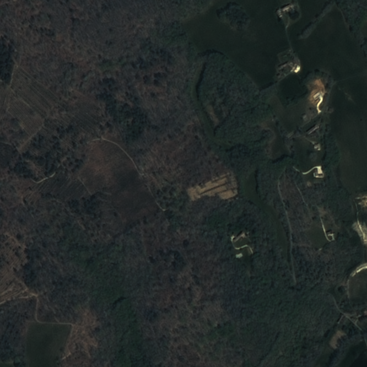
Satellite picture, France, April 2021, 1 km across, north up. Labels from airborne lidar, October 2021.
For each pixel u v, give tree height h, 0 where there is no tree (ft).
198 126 67
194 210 26
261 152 68
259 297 65
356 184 0
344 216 40
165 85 53
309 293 69
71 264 92
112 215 30
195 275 68
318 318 38
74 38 62
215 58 67
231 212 77
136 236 58
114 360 61
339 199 45
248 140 79
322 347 31
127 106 39
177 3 66
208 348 65
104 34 41
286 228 24
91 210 58
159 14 72
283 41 0
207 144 50
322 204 53
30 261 64
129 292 67
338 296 0
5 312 37
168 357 50
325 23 0
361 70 0
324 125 0
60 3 27
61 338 0
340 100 0
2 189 19
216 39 0
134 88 54
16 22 55
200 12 43
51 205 58
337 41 0
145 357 53
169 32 100
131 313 85
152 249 57
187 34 59
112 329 103
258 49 0
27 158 63
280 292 80
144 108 48
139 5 82
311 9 0
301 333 58
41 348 0
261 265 69
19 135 46
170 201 49
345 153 0
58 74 58
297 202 51
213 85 67
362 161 0
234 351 55
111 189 0
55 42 28
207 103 65
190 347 28
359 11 75
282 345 76
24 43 47
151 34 84
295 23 0
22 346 26
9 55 47
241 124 62
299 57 0
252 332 46
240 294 45
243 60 0
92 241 44
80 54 53
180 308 57
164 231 51
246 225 31
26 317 32
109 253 75
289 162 52
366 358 0
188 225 31
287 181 40
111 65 65
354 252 50
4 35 43
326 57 0
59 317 39
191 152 20
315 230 0
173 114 40
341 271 43
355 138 0
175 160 22
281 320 85
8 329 38
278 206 57
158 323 50
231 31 0
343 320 43
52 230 68
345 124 0
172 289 51
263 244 51
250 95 60
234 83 56
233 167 68
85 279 71
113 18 36
